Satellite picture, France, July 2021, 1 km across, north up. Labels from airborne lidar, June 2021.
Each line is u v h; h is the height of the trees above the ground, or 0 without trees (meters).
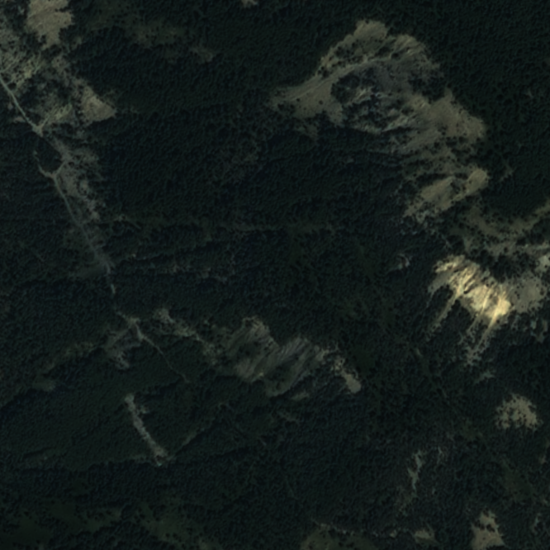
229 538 14
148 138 29
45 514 14
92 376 18
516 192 15
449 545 20
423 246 10
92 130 11
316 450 18
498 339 11
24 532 0
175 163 34
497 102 14
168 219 34
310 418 22
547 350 23
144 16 13
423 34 12
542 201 10
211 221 22
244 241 11
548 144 11
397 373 16
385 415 15
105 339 11
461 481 12
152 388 11
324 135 23
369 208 14
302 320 24
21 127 12
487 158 15
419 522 14
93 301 19
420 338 12
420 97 0
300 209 28
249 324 7
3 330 29
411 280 20
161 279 18
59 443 24
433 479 11
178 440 17
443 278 0
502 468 27
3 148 24
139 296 13
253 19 24
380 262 27
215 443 21
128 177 29
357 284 24
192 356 17
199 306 14
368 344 22
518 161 17
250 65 21
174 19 17
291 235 29
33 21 0
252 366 0
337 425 12
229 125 16
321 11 17
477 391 18
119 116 12
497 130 11
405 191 8
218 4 25
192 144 28
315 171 29
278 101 0
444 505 10
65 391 16
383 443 11
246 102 8
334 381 13
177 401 24
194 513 18
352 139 25
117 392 16
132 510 17
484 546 0
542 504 16
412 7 11
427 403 22
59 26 0
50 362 16
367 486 17
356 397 6
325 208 20
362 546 0
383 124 7
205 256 21
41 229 10
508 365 20
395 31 12
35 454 19
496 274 9
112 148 9
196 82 32
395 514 15
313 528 22
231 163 18
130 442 19
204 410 29
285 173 31
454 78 10
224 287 17
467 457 22
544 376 17
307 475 11
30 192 12
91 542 19
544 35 10
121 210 16
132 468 16
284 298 14
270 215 25
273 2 14
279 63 15
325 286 26
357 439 22
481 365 10
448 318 7
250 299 19
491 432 14
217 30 25
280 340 12
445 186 0
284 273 23
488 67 17
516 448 22
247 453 26
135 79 31
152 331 7
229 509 31
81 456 26
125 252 15
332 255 27
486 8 15
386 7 11
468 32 18
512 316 8
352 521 15
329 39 19
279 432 17
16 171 21
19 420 30
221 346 9
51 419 23
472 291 0
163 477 13
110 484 13
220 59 22
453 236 9
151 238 10
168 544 8
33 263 19
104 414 23
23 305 21
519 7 16
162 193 38
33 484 20
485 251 12
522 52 14
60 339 19
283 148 26
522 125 17
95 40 13
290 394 8
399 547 15
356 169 19
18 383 15
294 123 14
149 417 17
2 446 20
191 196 34
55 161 12
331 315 29
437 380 23
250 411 27
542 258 0
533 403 6
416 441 13
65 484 18
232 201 26
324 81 0
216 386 26
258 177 24
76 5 13
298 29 25
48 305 13
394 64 0
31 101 17
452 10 17
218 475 31
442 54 7
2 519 16
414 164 8
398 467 10
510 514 15
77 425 25
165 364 21
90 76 14
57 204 17
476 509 10
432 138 0
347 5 18
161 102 24
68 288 21
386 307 25
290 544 19
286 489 24
